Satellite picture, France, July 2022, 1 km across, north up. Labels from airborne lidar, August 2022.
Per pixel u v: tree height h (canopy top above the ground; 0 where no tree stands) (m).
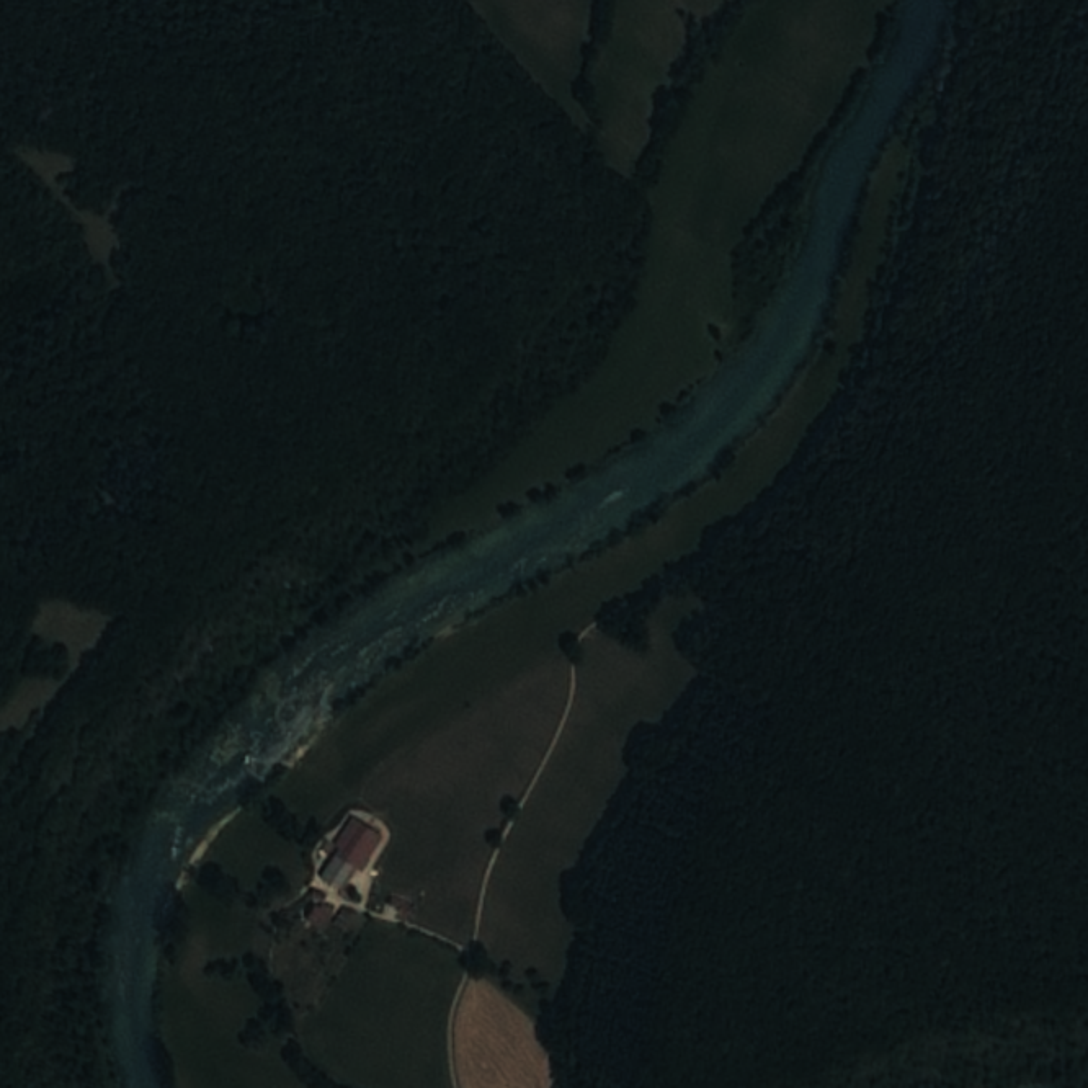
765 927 21
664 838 24
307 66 20
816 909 18
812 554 19
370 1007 0
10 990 15
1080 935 17
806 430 0
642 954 24
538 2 0
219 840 0
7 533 18
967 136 20
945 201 23
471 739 0
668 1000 20
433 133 21
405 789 0
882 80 0
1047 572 17
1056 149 12
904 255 21
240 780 0
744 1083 14
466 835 0
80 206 8
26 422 18
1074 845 17
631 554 0
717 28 18
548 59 0
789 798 18
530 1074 0
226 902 15
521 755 0
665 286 0
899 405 19
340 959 0
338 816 0
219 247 16
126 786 22
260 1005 0
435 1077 0
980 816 16
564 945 0
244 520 13
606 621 19
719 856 18
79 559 16
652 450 0
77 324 17
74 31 20
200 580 11
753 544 22
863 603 19
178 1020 0
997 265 9
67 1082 23
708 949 18
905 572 16
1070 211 15
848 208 0
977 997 13
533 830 0
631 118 0
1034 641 18
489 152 20
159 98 18
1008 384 13
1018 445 15
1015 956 19
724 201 0
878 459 18
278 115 20
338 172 21
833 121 11
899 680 18
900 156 0
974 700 14
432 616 0
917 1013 12
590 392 0
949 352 10
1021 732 18
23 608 19
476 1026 0
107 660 18
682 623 0
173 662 9
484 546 0
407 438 16
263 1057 0
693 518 0
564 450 0
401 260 22
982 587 13
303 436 14
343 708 12
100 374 17
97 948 15
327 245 16
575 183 26
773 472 0
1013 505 19
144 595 14
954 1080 15
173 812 0
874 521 17
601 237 17
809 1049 15
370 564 15
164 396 17
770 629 24
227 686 22
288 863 0
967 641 13
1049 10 22
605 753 0
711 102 0
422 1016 0
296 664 0
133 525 19
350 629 0
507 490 0
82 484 18
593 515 0
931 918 15
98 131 16
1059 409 18
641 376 0
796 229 11
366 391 16
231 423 15
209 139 16
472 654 0
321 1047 0
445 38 25
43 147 15
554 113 15
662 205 0
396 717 0
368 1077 0
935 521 15
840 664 19
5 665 13
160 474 18
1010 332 13
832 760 18
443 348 18
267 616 13
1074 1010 8
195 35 21
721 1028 20
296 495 9
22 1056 15
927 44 0
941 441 17
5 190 19
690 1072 19
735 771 21
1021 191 10
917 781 14
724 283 0
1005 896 17
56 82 16
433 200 21
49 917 26
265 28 19
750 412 0
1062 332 18
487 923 0
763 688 19
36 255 18
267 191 15
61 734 14
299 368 16
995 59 19
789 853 19
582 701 0
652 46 0
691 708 20
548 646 0
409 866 0
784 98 0
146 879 0
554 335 19
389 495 18
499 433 22
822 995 16
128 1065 0
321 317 19
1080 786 19
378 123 19
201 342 17
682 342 0
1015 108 19
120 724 8
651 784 24
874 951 18
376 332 17
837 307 13
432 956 0
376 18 21
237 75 23
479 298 19
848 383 21
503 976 8
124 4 17
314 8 19
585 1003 19
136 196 16
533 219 19
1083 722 20
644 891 23
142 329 16
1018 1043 9
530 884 0
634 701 0
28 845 6
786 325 0
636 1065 23
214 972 7
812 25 0
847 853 19
